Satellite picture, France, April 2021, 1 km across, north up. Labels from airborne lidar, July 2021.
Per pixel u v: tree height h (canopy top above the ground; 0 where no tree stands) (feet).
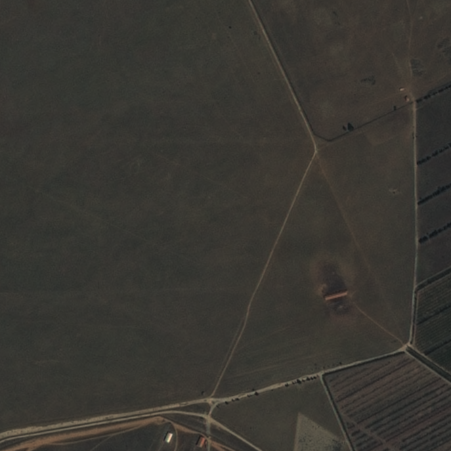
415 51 0
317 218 0
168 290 0
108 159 0
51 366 0
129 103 0
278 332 0
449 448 0
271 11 0
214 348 0
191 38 0
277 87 0
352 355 0
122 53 0
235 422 0
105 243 0
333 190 0
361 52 0
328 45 0
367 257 0
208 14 0
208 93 0
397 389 0
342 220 0
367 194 0
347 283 0
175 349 0
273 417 0
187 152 0
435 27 0
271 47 0
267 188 0
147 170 0
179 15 0
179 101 0
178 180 0
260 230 0
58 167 0
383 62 0
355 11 0
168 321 0
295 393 0
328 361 0
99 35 0
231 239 0
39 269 0
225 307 0
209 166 0
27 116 0
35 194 0
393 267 0
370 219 0
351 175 0
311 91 0
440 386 0
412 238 0
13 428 0
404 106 0
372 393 0
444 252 0
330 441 0
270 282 0
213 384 0
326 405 0
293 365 0
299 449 0
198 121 0
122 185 0
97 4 0
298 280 0
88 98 0
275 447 0
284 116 0
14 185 0
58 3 0
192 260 0
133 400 0
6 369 0
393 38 0
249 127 0
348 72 0
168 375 0
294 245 0
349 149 0
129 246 0
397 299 0
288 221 0
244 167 0
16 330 0
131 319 0
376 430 0
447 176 0
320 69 0
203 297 0
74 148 0
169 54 0
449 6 0
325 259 0
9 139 0
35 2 0
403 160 0
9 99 0
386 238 0
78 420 0
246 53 0
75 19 0
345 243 0
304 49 0
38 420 0
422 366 0
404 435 0
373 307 0
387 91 0
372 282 0
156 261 0
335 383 0
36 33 0
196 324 0
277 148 0
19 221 0
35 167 0
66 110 0
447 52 0
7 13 0
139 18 0
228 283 0
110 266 0
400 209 0
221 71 0
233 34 0
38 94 0
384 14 0
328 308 0
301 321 0
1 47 0
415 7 0
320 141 0
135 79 0
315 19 0
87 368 0
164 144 0
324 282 0
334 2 0
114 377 0
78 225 0
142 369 0
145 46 0
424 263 0
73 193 0
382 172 0
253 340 0
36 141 0
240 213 0
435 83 0
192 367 0
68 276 0
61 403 0
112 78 0
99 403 0
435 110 0
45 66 0
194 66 0
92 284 0
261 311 0
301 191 0
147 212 0
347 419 0
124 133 0
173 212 0
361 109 0
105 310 0
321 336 0
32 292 0
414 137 0
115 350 0
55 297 0
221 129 0
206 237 0
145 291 0
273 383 0
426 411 0
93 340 0
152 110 0
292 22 0
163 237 0
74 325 0
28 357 0
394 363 0
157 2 0
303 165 0
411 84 0
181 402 0
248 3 0
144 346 0
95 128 0
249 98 0
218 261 0
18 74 0
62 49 0
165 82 0
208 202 0
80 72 0
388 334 0
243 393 0
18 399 0
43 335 0
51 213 0
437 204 0
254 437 0
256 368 0
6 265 0
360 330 0
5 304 0
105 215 0
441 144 0
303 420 0
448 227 20
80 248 0
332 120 0
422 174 0
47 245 0
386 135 0
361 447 0
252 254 0
